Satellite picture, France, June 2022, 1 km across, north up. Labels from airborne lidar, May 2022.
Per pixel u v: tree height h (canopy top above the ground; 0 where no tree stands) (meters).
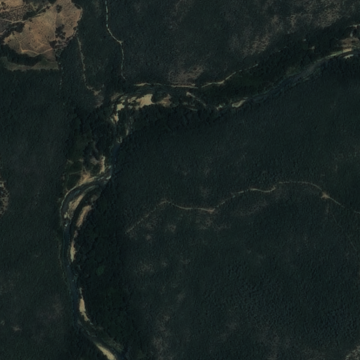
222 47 13
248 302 16
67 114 14
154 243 6
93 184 0
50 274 10
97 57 6
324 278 9
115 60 10
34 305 8
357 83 7
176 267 8
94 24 7
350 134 5
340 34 21
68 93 14
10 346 10
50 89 12
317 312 10
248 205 7
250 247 6
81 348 28
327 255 7
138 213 6
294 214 10
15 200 8
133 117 20
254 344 6
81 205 7
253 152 5
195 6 7
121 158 16
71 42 10
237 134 6
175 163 6
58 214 19
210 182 7
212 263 6
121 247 11
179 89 9
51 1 11
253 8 6
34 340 7
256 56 8
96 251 31
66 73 9
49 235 9
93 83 9
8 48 9
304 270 7
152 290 6
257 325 7
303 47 10
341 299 6
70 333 13
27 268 6
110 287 20
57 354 12
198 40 6
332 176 7
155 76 10
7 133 11
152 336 7
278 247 9
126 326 20
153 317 9
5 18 9
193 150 8
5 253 7
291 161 14
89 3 7
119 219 15
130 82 14
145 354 13
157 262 7
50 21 0
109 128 20
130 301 21
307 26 9
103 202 21
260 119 8
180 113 23
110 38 19
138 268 6
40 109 15
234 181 8
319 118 6
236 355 8
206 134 11
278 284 15
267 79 10
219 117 6
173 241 6
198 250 8
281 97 8
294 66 13
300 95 6
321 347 6
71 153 16
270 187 8
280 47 15
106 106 12
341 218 8
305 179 5
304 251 7
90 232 18
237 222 6
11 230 11
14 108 7
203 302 11
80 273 10
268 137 6
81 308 0
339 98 7
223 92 11
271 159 7
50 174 11
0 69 12
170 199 7
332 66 14
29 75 13
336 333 8
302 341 6
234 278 6
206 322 11
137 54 12
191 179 8
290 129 6
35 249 12
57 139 10
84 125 25
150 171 8
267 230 6
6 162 6
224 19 10
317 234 6
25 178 9
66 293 16
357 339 6
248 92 5
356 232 10
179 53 5
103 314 23
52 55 0
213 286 6
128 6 7
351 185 8
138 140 19
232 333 6
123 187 13
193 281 10
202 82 15
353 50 0
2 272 9
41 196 10
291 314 18
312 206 6
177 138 12
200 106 20
